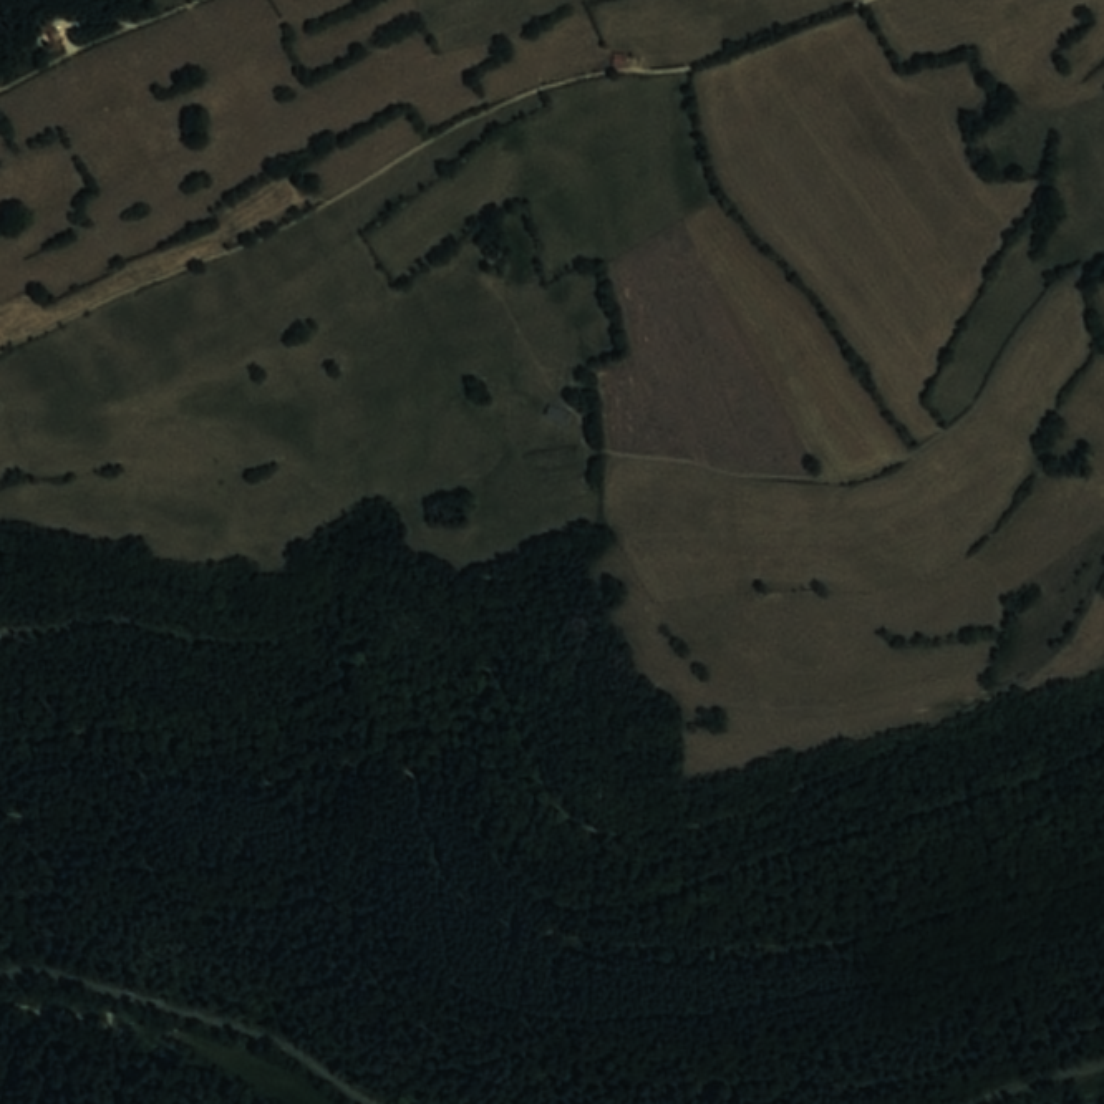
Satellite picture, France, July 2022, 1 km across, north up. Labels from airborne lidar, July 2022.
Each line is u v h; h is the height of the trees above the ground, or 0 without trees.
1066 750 21
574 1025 30
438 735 31
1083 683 7
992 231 0
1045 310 0
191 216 0
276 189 0
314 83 15
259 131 0
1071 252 0
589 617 23
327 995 25
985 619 0
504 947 28
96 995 12
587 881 23
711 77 0
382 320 0
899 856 31
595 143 0
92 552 18
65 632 14
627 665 11
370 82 0
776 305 0
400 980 30
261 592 15
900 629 0
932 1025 23
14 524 11
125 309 0
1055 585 0
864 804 27
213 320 0
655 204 0
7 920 22
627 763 15
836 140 0
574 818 13
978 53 14
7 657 23
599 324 0
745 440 0
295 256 0
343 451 0
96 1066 40
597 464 14
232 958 29
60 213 0
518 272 0
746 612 0
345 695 27
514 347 0
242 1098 28
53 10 17
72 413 0
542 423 0
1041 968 24
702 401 0
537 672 18
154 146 0
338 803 30
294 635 17
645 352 0
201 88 17
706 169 14
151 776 25
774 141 0
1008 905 23
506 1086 34
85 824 27
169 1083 18
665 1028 31
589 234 0
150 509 0
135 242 0
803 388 0
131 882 25
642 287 0
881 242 0
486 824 10
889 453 0
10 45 12
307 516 0
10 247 0
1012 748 20
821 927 33
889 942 27
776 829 19
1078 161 0
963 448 0
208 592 10
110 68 0
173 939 14
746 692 0
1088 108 0
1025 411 0
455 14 0
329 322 0
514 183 0
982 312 0
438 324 0
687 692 0
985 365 0
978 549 7
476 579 16
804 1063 33
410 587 11
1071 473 22
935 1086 19
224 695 27
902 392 0
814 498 0
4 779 20
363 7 16
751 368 0
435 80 0
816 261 0
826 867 22
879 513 0
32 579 20
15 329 0
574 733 11
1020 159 0
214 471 0
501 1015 31
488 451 0
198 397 0
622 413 0
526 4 0
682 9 0
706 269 0
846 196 0
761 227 0
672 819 13
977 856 26
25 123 0
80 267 0
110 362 0
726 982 28
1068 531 0
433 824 26
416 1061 33
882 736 12
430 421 0
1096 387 0
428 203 0
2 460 0
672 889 29
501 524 0
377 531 6
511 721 18
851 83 0
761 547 0
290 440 0
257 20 0
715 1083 7
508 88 0
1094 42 0
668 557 0
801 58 0
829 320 13
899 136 0
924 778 20
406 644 11
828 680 0
